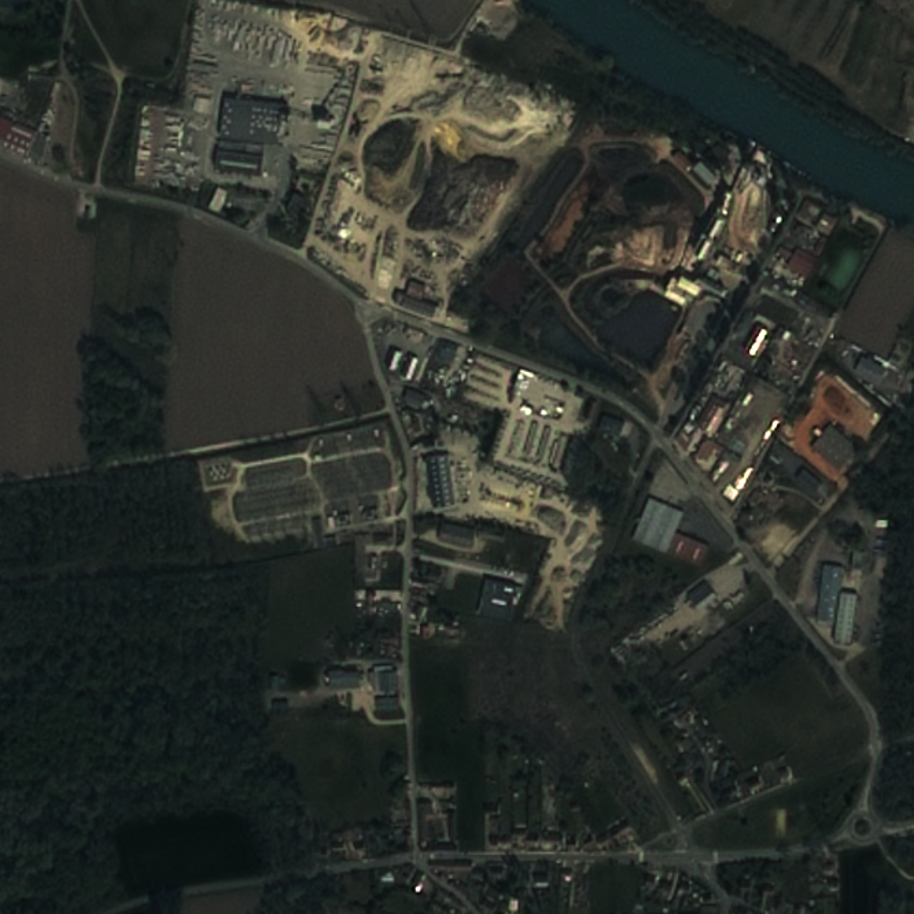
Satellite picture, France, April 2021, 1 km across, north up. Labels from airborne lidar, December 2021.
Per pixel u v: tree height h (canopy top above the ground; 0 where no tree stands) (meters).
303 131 0
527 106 0
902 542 22
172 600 19
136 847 0
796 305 0
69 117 0
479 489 0
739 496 0
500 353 0
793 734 0
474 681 0
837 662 0
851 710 0
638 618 0
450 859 0
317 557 0
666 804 0
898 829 0
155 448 14
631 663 18
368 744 0
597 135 0
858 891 0
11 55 0
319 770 0
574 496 9
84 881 18
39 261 0
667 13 13
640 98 14
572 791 10
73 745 20
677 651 0
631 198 0
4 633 14
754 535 0
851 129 13
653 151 0
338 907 20
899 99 0
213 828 0
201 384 0
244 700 26
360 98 0
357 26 0
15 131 0
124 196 0
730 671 17
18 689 24
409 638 0
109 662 17
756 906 6
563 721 0
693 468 0
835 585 0
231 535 0
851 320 0
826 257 0
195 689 24
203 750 30
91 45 0
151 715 32
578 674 0
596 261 0
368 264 0
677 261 0
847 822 0
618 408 0
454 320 0
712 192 0
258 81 0
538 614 0
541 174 0
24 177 0
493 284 0
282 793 18
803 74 11
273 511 0
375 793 0
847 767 0
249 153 0
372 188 0
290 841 6
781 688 0
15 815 32
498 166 0
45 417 0
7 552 8
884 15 0
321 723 0
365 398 0
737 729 0
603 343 12
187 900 19
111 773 26
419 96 0
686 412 0
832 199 18
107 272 0
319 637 0
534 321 0
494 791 0
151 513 22
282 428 0
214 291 0
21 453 0
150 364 0
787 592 0
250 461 0
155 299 0
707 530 0
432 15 0
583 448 25
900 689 18
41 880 16
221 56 0
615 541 0
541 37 0
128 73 0
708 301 0
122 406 26
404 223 0
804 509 0
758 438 0
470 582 0
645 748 0
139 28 0
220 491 0
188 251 0
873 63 0
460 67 0
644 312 0
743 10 0
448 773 0
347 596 0
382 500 0
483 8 0
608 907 0
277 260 0
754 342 0
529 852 0
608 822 0
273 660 0
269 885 7
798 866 0
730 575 0
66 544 8
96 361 24
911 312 0
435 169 0
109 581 13
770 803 0
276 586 0
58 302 0
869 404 0
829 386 0
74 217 0
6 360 0
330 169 0
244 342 0
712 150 9
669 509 0
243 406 0
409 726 0
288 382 0
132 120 0
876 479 29
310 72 0
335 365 0
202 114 0
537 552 0
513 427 0
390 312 0
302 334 0
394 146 0
